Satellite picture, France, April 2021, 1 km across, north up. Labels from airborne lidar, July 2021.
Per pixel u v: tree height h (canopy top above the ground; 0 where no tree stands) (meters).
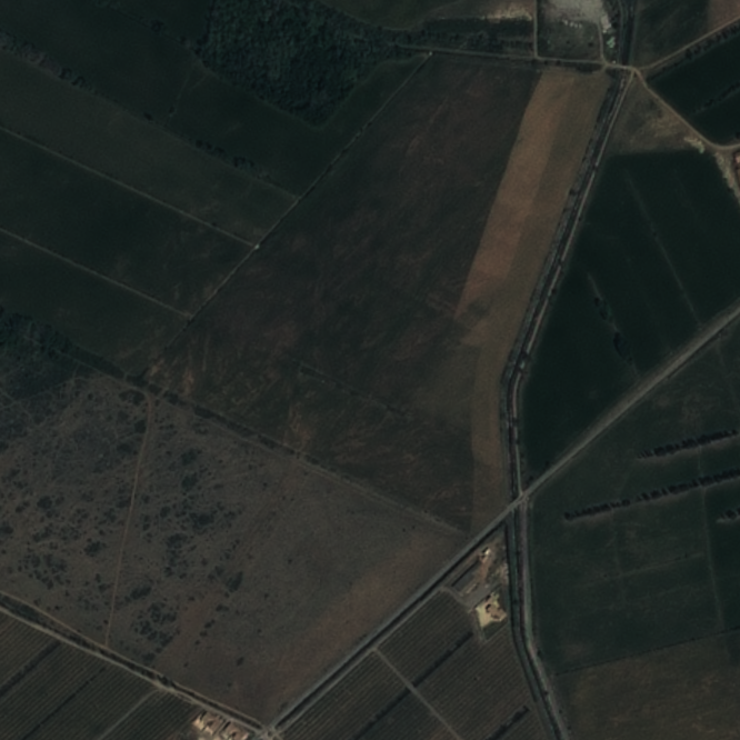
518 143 0
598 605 0
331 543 0
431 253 0
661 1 0
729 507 0
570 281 0
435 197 0
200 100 0
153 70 0
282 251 0
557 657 0
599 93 0
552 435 0
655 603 0
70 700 6
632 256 0
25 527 0
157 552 0
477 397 0
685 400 0
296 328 0
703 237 0
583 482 0
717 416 0
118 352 0
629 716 0
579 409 0
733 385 0
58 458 0
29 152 0
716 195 0
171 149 0
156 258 0
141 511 0
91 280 0
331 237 0
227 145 0
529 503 0
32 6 0
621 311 0
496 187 0
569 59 0
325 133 0
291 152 0
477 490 0
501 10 0
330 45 20
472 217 0
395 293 0
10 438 0
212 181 0
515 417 0
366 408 0
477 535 0
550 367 0
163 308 0
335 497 0
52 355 12
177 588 0
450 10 0
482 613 0
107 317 0
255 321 0
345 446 0
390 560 0
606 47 0
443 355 0
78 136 0
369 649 6
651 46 0
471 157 0
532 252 0
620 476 0
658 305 0
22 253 0
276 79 17
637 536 0
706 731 0
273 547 0
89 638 0
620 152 0
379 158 0
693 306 0
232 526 0
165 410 0
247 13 6
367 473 0
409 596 0
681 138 0
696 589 0
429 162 0
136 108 0
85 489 0
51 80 0
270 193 0
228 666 0
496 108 0
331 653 0
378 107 0
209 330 0
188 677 0
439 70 0
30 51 15
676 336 0
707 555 0
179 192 0
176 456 0
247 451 0
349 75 19
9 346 8
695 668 0
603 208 0
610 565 0
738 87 6
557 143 0
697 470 0
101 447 0
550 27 0
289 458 0
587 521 0
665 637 0
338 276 0
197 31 0
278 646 0
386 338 0
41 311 0
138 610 0
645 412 0
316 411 0
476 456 0
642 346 0
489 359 0
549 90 0
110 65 0
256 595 0
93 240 0
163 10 0
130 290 0
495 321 0
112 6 6
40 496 0
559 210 0
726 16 0
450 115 0
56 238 0
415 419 0
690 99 0
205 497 0
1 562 0
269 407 0
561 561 0
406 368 0
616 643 0
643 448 0
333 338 0
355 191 0
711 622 0
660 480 0
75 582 0
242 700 0
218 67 15
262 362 0
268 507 0
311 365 0
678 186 0
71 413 0
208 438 0
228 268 0
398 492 0
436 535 0
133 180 0
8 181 0
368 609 0
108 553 0
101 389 0
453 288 0
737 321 0
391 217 0
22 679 11
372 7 0
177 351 0
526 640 0
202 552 0
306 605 0
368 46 11
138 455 0
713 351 0
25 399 0
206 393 0
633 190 0
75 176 0
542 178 0
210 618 0
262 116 0
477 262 0
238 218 0
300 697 0
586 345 0
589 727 0
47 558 0
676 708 0
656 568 0
